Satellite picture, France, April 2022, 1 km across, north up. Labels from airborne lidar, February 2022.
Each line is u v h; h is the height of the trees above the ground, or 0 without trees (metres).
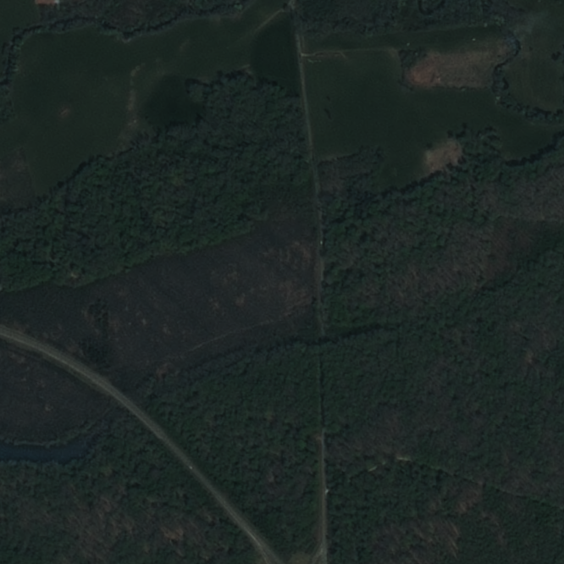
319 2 0
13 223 16
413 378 26
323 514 0
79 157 0
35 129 0
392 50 0
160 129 0
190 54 0
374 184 14
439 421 26
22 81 0
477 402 28
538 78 0
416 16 0
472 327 27
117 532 28
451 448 25
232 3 20
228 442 25
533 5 0
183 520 25
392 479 27
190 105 0
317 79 0
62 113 0
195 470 0
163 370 0
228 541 27
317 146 0
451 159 0
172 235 22
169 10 0
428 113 0
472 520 19
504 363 25
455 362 25
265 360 31
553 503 26
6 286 23
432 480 24
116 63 0
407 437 29
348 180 9
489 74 0
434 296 26
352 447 33
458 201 28
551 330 26
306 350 26
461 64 0
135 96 0
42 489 22
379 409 28
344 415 25
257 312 0
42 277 25
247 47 0
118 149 0
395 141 0
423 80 0
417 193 23
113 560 27
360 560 26
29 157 0
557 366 28
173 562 25
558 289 25
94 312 7
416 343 25
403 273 25
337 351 27
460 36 0
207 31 0
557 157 24
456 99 0
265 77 0
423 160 0
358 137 0
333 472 26
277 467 24
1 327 0
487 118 0
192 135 23
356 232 22
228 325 0
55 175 0
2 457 0
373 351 26
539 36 0
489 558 15
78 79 0
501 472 27
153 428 0
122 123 0
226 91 30
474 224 24
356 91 0
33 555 26
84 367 0
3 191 0
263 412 26
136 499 28
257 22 0
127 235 15
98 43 0
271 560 0
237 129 29
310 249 0
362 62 0
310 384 25
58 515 26
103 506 25
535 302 20
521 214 28
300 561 0
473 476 26
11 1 0
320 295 0
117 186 15
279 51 0
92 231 21
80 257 26
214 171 22
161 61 0
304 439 22
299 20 24
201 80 0
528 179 27
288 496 30
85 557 25
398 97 0
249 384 24
